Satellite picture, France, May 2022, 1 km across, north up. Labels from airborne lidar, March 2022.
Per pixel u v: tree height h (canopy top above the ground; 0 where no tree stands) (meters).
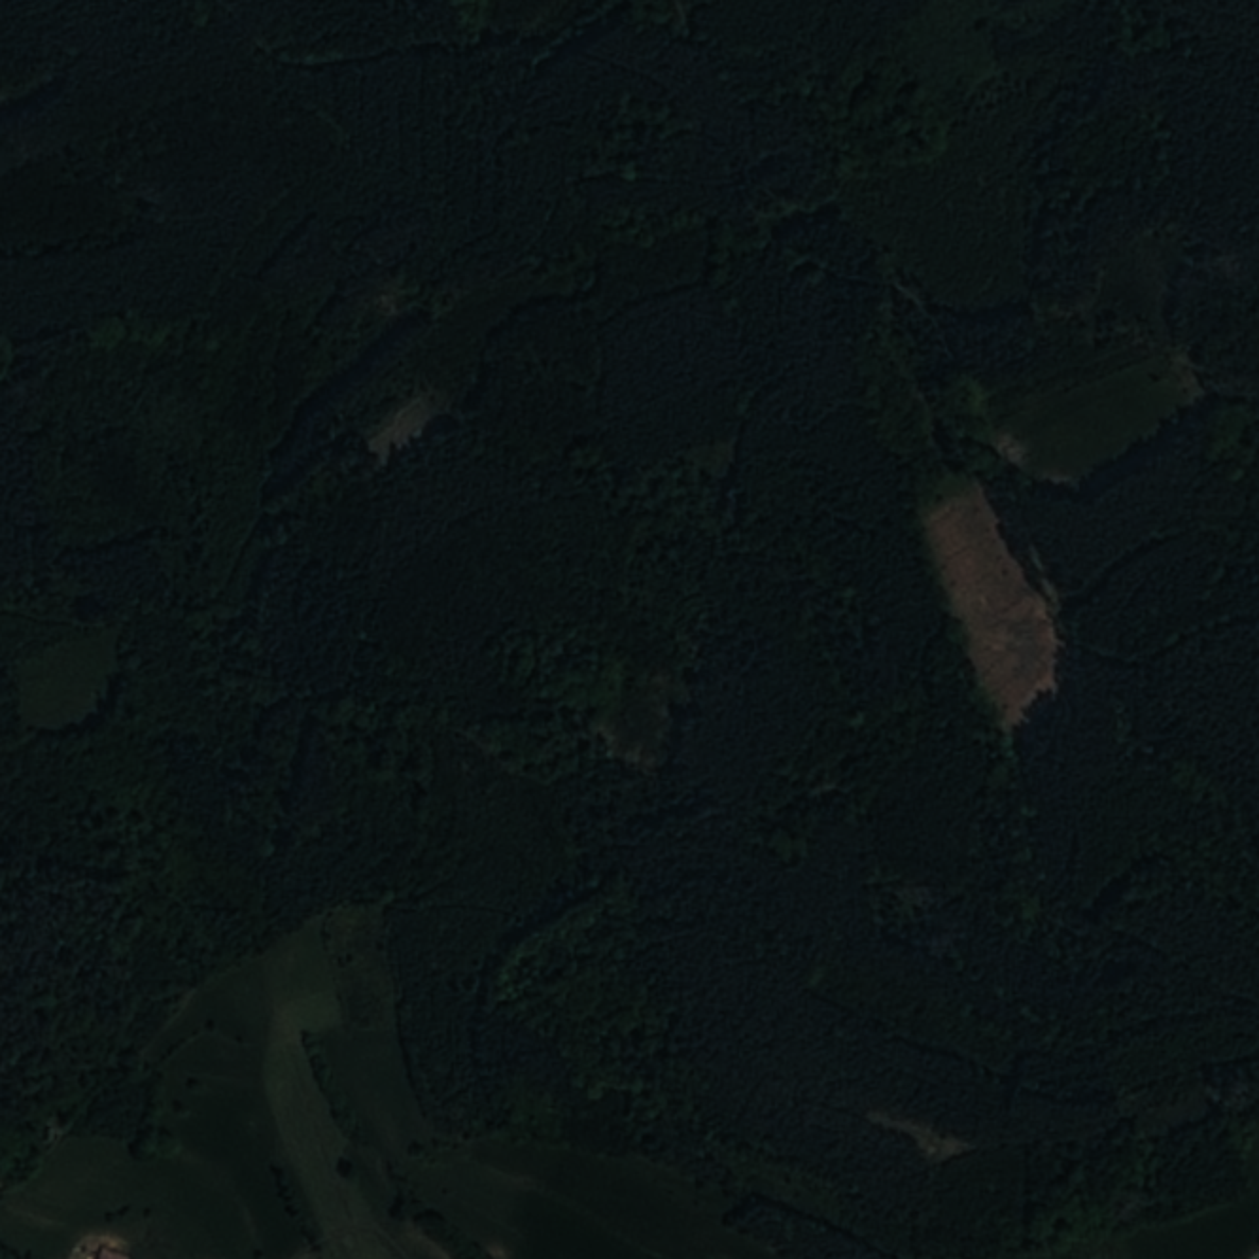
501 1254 0
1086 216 14
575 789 15
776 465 18
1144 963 24
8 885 16
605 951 25
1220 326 20
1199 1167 15
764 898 25
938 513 0
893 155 14
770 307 25
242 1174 0
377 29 20
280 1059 0
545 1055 25
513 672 11
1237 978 20
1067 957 21
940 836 19
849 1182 20
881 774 20
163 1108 12
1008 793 33
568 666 14
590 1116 11
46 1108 18
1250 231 23
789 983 21
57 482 12
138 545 20
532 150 18
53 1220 0
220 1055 0
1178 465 26
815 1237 24
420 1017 8
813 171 24
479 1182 0
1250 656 28
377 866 10
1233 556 20
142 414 10
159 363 11
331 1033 0
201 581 7
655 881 18
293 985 0
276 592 23
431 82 19
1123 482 26
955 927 23
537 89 25
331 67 15
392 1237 0
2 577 29
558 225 20
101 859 11
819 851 27
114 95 24
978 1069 13
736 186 12
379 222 23
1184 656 24
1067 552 25
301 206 13
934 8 18
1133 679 31
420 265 16
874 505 21
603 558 13
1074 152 17
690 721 22
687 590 6
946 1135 17
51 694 0
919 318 12
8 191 14
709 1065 23
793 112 28
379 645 13
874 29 18
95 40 24
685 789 22
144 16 27
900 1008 10
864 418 18
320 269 23
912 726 13
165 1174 0
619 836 20
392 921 8
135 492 14
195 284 18
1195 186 16
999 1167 7
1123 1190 18
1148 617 19
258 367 16
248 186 23
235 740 13
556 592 13
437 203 18
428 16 23
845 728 10
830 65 18
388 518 16
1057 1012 29
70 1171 0
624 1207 0
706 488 12
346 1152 0
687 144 29
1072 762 33
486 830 6
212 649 16
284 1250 0
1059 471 0
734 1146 22
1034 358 26
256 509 9
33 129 25
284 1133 0
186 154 24
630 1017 22
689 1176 8
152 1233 0
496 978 21
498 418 21
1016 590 0
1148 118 15
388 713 7
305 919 10
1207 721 23
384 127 18
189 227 17
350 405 10
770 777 21
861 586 21
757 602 11
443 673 12
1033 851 33
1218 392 19
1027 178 6
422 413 0
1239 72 17
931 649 30
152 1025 7
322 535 13
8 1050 27
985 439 18
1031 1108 24
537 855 7
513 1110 21
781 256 23
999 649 0
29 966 29
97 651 0
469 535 15
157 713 10
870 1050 19
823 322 30
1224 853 13
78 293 21
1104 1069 18
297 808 32
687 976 21
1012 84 6
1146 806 13
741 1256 0
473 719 12
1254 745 24
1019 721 0
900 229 6
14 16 22
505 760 20
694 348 24
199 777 22
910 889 25
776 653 22
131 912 9
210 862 9
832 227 25
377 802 13
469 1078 6
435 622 15
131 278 20
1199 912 20
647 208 19
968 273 6
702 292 25
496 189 21
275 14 24
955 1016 7
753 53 17
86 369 9
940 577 19
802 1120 23
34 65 17
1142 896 18
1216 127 17
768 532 15
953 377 30
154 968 8
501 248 20
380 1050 0
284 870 9
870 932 27
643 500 18
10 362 15
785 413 18
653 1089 25
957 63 17
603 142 16
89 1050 14
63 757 6
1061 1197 17
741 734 22
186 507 6
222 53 24
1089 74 11
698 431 20
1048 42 19
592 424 18
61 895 22
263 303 13
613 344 21
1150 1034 17
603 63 27
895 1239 6
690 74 25
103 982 14
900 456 23
